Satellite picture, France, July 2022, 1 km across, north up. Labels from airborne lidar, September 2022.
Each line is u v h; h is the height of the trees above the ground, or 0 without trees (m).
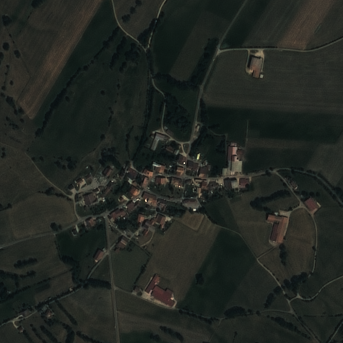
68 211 0
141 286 0
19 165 0
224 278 0
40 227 0
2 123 0
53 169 0
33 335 0
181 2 0
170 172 8
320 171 0
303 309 0
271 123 0
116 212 0
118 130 0
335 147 0
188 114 14
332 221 0
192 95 0
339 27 0
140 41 15
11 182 0
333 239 0
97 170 0
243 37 0
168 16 0
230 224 0
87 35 0
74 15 0
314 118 0
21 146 0
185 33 0
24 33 0
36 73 0
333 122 0
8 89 0
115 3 0
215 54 0
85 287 14
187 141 0
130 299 0
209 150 0
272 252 0
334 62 0
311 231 0
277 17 0
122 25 0
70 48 0
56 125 0
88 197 0
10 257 0
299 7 0
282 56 0
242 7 0
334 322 0
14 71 0
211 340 0
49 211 0
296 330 11
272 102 0
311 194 13
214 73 0
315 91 0
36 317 0
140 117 0
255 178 0
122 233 0
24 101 0
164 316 0
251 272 0
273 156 0
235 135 0
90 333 0
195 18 0
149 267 0
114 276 0
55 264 0
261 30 0
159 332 0
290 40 0
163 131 0
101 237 0
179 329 0
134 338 0
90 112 0
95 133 0
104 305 0
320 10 0
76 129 0
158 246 0
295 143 0
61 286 0
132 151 0
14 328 0
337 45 0
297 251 0
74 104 0
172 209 6
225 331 0
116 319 0
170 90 0
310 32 0
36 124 0
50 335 17
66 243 0
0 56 12
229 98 0
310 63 0
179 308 0
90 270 0
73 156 0
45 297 0
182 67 0
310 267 0
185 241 0
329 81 0
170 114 17
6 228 0
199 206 0
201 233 0
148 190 0
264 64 0
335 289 0
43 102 0
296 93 0
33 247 0
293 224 0
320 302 0
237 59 0
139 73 0
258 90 0
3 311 0
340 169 0
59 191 0
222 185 0
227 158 0
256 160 0
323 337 0
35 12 0
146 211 9
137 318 0
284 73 0
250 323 0
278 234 0
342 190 15
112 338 0
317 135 0
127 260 0
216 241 0
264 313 0
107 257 0
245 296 0
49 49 0
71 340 18
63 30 0
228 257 0
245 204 0
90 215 0
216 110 0
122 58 0
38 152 0
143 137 13
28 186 0
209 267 0
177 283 0
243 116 0
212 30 0
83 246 0
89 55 0
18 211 0
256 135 0
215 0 0
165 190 0
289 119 0
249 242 0
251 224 0
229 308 0
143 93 0
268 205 0
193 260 0
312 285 0
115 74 0
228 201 0
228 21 0
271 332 0
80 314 0
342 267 0
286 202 0
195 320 0
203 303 0
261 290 0
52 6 0
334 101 0
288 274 0
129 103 0
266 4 0
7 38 0
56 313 0
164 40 0
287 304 0
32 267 0
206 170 0
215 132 0
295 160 0
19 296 0
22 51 0
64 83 0
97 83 0
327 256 0
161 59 0
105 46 17
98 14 0
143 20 0
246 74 0
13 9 0
